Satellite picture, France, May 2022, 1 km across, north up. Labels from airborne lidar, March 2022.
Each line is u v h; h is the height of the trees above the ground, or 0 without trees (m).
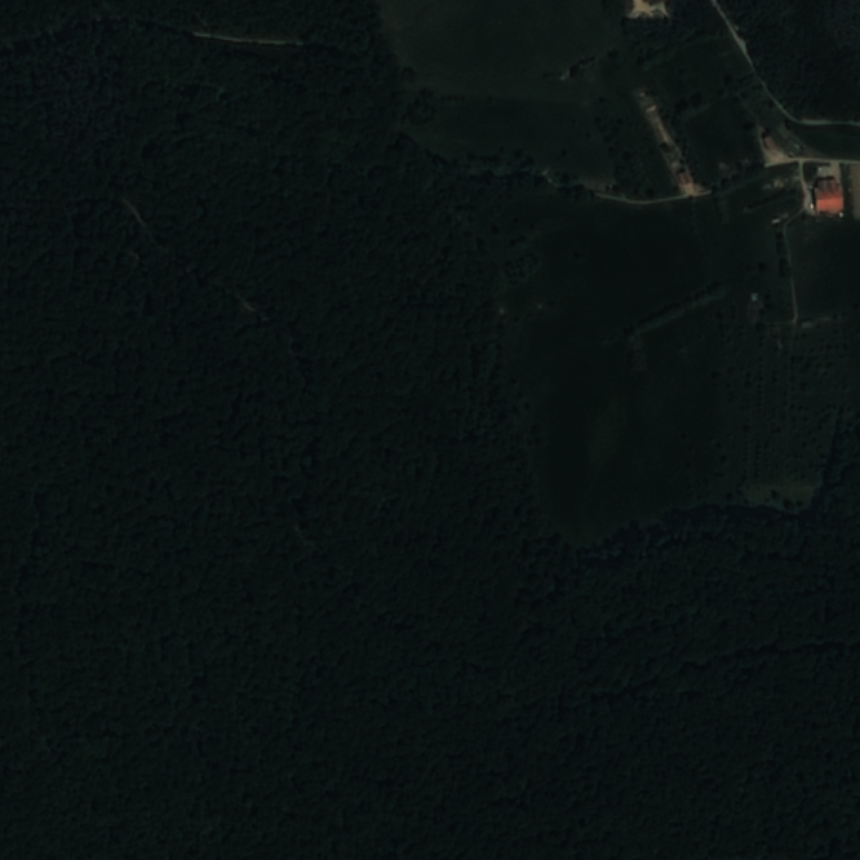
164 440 32
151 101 26
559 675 32
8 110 25
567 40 0
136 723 28
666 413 0
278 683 32
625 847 28
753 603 33
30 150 26
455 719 31
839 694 28
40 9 29
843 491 28
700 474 0
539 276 0
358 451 34
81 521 32
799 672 29
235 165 32
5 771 29
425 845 28
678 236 0
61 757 30
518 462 33
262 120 26
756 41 19
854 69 15
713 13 20
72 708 29
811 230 0
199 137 30
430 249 31
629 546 27
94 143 26
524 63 0
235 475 32
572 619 33
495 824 30
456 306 30
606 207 0
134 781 29
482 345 31
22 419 28
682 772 28
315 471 29
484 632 33
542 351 0
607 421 0
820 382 0
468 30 0
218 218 33
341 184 30
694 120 0
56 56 24
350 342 29
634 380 0
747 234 0
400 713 30
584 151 0
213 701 31
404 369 33
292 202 35
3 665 31
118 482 31
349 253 32
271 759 29
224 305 29
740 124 0
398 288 27
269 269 30
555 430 0
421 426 32
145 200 29
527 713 31
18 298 30
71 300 28
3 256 10
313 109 36
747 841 29
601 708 31
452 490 33
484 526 34
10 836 26
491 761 27
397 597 32
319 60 28
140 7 29
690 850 27
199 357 28
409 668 31
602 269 0
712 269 0
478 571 33
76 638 31
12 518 31
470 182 19
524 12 0
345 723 31
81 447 32
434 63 0
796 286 0
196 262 28
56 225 27
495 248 0
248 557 33
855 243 0
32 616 31
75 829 28
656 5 0
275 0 29
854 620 29
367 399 29
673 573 32
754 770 29
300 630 34
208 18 30
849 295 0
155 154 31
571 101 0
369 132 31
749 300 0
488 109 0
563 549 33
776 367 0
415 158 31
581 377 0
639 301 0
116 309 29
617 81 0
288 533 30
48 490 31
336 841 28
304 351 26
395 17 0
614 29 0
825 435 0
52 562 31
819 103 14
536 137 0
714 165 0
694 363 0
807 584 29
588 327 0
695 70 0
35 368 30
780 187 0
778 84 20
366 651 32
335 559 29
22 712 30
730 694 32
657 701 32
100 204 28
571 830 27
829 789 29
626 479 0
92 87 24
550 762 30
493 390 24
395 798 31
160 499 33
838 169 0
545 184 19
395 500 30
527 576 34
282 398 30
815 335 0
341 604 33
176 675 33
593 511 0
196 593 32
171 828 31
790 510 12
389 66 25
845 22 16
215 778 31
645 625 29
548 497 0
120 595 33
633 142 0
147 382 32
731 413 0
